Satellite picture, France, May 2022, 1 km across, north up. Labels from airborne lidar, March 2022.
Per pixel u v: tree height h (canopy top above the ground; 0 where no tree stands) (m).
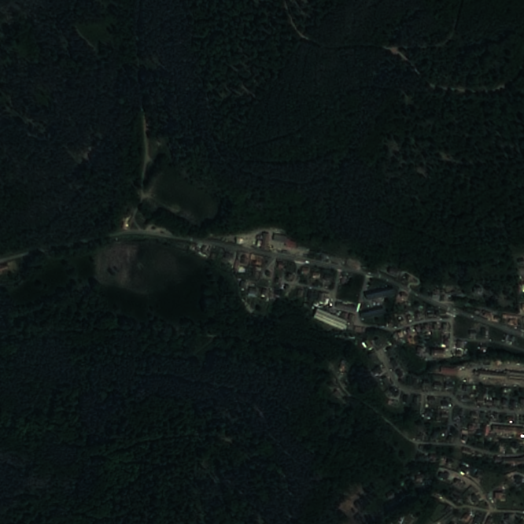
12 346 27
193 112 21
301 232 14
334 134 20
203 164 21
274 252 0
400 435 0
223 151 30
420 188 18
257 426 26
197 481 8
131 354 19
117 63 19
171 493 26
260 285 0
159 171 15
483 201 20
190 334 16
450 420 0
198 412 28
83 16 24
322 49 19
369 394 12
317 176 30
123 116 26
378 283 0
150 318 11
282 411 17
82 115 33
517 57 16
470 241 22
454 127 20
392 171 12
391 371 0
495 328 0
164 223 23
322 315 0
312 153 17
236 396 29
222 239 0
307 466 23
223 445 9
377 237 27
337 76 22
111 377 23
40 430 19
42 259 25
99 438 9
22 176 23
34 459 23
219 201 7
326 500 21
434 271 40
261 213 24
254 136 19
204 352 0
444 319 0
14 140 26
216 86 26
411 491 10
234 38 30
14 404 24
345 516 24
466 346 0
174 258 0
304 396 23
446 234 18
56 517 22
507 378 0
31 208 22
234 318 19
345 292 0
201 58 26
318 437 15
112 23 0
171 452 13
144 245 0
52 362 23
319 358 21
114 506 30
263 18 27
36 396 21
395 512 21
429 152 24
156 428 9
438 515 0
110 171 23
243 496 28
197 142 28
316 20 23
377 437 19
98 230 26
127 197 21
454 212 15
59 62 31
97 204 27
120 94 34
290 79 21
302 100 20
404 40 20
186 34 26
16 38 33
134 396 22
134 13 22
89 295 22
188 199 0
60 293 20
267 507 30
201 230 18
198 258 0
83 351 23
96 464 28
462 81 14
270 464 28
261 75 26
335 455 25
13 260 0
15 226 25
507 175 19
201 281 0
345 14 17
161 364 21
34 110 32
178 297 0
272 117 18
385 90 23
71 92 30
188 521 8
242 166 29
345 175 27
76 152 30
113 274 20
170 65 29
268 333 7
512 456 0
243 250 0
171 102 36
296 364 7
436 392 0
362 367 31
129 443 28
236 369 25
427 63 20
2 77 28
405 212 23
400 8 19
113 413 27
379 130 13
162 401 9
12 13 24
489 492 0
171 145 34
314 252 0
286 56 14
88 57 28
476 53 23
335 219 25
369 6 15
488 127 25
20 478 23
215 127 11
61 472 22
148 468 14
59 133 31
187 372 23
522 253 0
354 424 8
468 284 19
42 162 25
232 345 9
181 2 21
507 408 0
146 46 26
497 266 14
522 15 9
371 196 18
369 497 23
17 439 21
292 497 27
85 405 32
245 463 9
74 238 24
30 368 27
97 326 20
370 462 19
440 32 6
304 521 18
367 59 24
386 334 10
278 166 28
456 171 22
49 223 30
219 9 24
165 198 0
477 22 13
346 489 24
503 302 0
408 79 24
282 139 17
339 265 0
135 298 0
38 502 10
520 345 0
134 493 28
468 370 0
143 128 0
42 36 33
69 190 28
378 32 20
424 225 16
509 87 24
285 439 27
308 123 17
